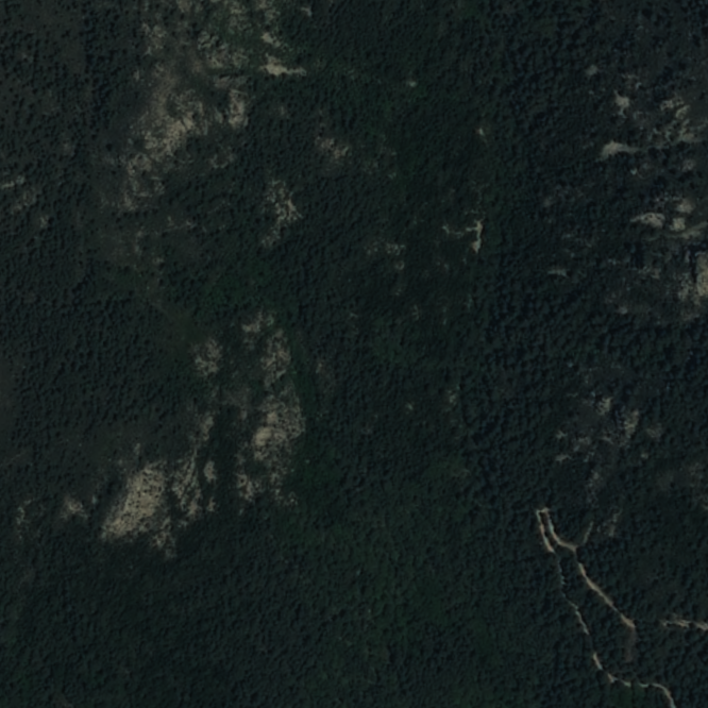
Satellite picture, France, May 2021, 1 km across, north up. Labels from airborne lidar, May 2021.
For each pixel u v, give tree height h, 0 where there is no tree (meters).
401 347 21
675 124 6
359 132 14
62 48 17
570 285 8
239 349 12
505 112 24
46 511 8
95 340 22
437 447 13
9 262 20
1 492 16
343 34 22
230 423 6
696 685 25
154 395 15
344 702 24
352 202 18
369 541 17
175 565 9
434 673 28
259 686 27
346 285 9
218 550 18
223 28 7
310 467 12
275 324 8
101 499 17
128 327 17
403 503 20
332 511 12
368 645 14
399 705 17
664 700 19
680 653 20
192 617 21
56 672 19
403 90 8
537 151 18
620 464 13
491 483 29
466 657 24
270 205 8
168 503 6
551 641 15
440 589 18
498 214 16
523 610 17
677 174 21
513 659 25
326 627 23
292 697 24
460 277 8
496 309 27
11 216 14
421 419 10
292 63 8
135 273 6
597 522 6
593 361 8
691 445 12
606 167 18
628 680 16
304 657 23
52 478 15
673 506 8
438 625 20
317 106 21
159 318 13
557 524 17
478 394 33
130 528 6
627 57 9
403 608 19
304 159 18
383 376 20
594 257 9
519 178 15
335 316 25
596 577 15
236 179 16
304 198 17
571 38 9
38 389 16
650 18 20
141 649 15
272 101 7
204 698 19
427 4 7
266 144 8
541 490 6
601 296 9
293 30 20
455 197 9
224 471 10
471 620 25
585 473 7
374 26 14
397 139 9
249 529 16
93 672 22
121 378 11
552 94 20
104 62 27
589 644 24
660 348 24
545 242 8
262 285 18
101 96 17
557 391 6
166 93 0
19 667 23
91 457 0
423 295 8
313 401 14
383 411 6
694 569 16
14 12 20
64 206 21
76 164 19
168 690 15
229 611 11
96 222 17
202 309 17
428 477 18
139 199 10
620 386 17
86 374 22
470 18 11
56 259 23
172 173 8
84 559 6
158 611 10
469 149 10
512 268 24
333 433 24
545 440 9
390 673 18
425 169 21
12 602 12
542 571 26
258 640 19
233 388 9
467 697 15
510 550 20
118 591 9
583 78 9
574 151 7
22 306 21
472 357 18
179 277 21
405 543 17
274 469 10
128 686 14
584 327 25
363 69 9
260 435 0
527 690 24
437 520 17
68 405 15
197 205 13
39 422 16
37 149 15
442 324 10
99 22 21
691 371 16
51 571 21
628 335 25
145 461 12
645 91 18
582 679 18
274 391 8
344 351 6
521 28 28
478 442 29
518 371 20
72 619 18
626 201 18
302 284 21
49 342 23
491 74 24
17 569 9
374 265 12
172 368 6
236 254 8
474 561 20
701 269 0
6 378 0
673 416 18
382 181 14
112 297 14
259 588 16
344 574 18
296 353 15
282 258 18
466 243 6
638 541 18
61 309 18
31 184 16
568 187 19
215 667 13
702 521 6
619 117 7
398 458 14
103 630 24
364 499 19
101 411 18
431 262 9
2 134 24
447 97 22
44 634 21
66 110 19
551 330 25
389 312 23
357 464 11
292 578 21
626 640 18
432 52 16
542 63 20
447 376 10
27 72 23
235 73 7
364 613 23
